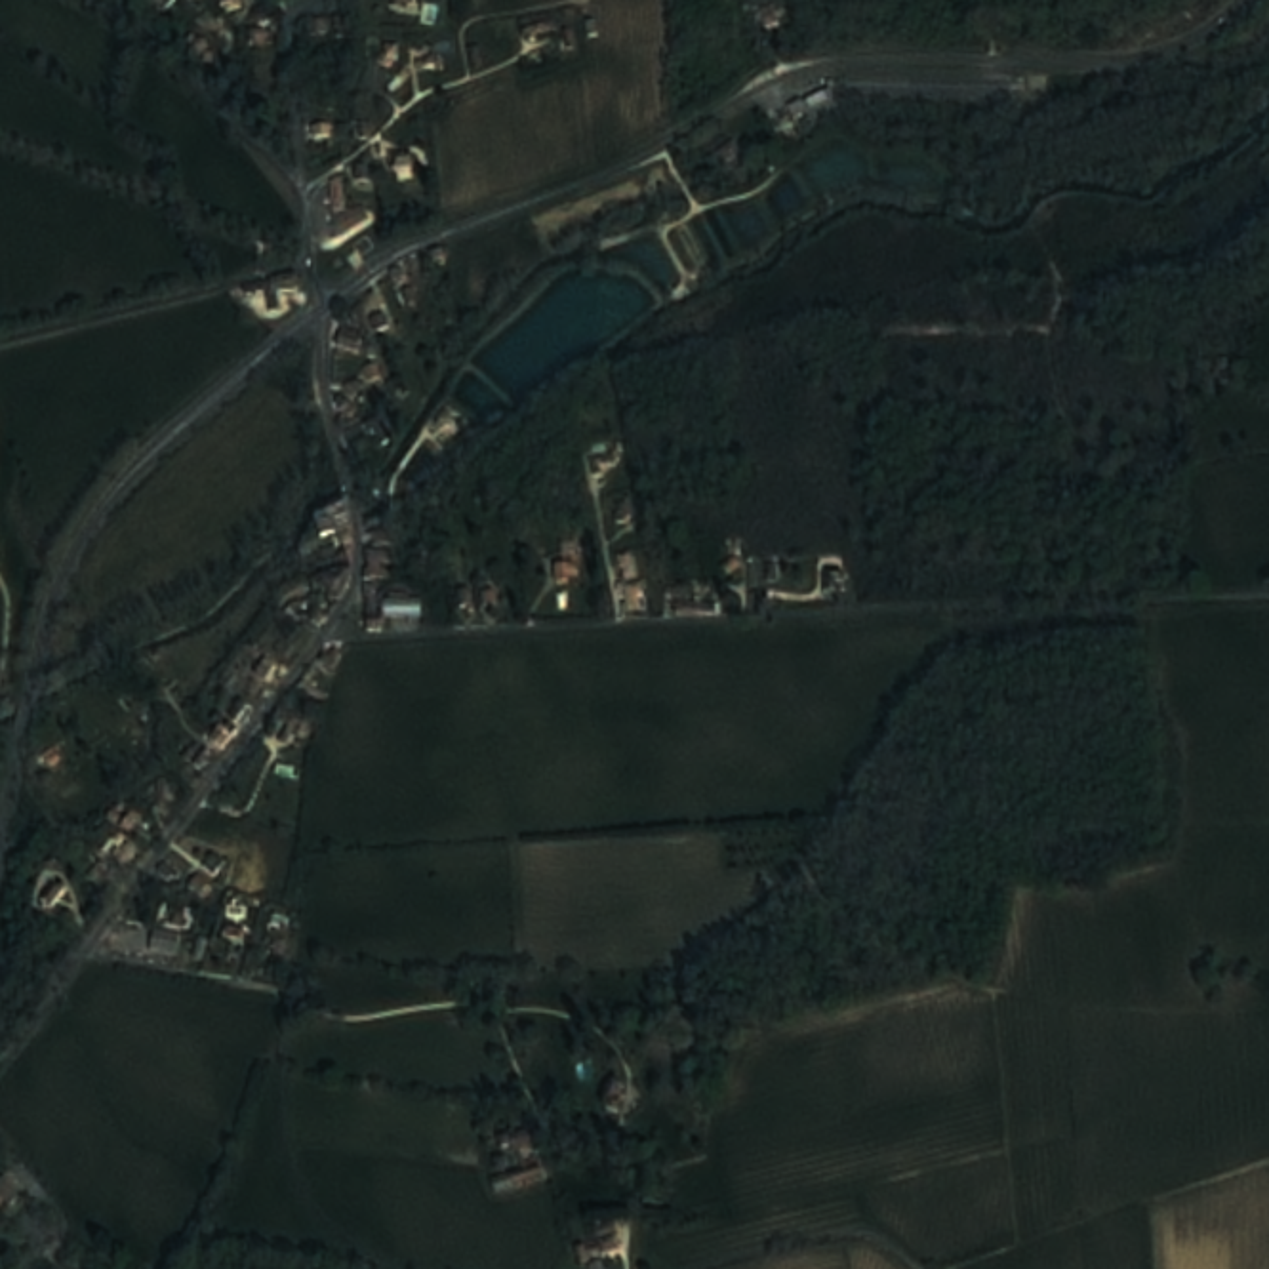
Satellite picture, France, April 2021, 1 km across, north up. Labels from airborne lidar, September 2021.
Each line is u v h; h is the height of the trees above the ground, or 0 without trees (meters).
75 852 14
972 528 22
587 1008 0
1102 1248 0
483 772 0
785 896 25
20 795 6
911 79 0
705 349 20
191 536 0
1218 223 0
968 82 0
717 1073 21
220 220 14
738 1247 0
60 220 0
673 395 21
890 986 16
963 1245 0
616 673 0
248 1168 0
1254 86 17
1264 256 21
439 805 0
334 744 0
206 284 31
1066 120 23
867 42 23
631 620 0
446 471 14
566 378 20
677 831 12
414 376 0
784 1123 0
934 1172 0
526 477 23
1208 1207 0
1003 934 20
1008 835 21
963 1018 0
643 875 0
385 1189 0
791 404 13
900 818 16
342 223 0
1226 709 0
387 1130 0
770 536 11
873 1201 0
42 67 13
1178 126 23
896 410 18
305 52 10
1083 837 19
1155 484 20
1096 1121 0
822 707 0
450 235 0
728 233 0
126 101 15
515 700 0
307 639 25
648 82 0
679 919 0
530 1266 0
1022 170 19
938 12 22
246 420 0
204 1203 8
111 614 0
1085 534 12
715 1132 0
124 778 16
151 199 17
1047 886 19
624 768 0
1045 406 13
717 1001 16
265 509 0
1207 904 0
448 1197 0
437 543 15
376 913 0
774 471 9
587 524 24
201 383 0
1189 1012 0
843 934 22
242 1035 0
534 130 0
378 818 0
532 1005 0
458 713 0
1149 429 16
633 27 0
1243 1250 0
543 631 0
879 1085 0
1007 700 15
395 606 0
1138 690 22
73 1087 0
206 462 0
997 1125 0
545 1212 0
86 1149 0
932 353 6
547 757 0
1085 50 25
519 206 0
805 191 0
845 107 17
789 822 7
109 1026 0
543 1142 28
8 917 16
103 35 0
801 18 23
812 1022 15
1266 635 0
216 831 0
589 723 0
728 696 0
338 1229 0
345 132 7
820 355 20
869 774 17
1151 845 22
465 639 0
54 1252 9
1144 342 19
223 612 9
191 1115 0
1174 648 0
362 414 6
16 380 0
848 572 12
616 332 0
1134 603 17
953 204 11
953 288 10
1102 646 23
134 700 10
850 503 9
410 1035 0
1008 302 10
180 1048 0
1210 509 0
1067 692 21
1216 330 21
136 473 0
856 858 22
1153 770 19
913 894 19
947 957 18
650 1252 0
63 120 0
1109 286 22
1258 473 0
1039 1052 0
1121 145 22
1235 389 16
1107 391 11
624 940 0
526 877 0
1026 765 19
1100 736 17
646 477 12
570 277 0
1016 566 23
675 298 14
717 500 23
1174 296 23
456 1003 17
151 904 12
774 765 0
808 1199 0
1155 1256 0
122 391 0
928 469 15
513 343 0
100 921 10
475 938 0
